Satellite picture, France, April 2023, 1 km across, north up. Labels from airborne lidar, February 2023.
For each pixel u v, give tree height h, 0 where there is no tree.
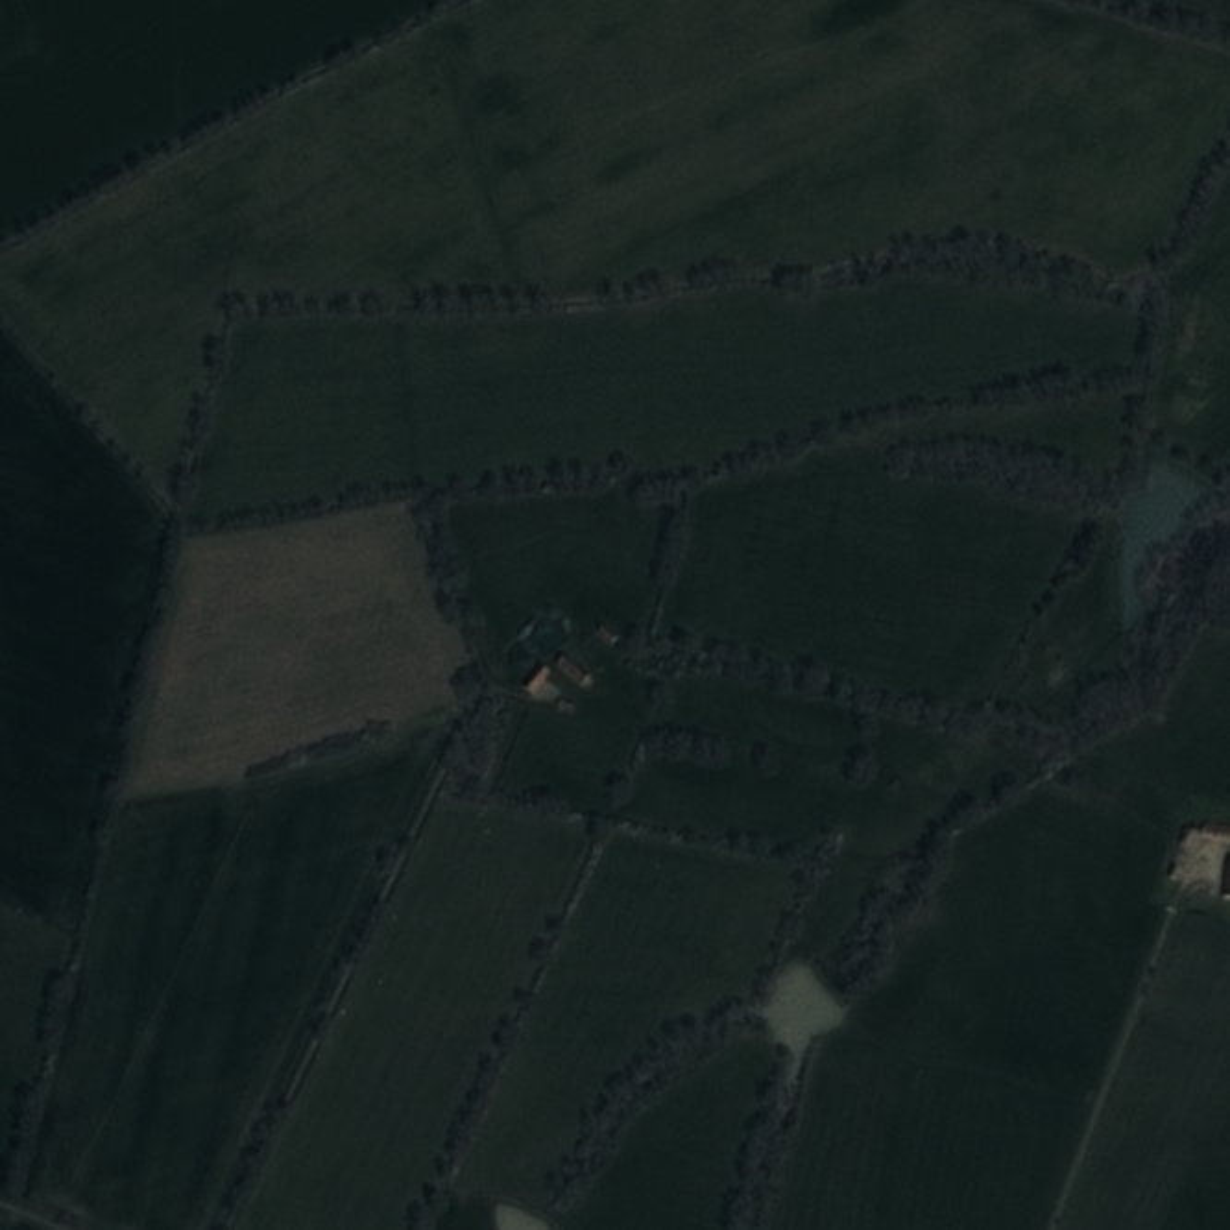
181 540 19
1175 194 0
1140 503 0
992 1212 0
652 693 13
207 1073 0
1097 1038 0
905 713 14
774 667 11
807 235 0
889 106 0
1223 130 0
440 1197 15
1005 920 0
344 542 0
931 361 0
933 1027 0
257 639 0
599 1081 0
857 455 0
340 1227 0
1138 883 0
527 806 6
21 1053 0
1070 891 0
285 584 0
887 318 0
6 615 0
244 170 0
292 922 0
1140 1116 0
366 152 0
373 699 0
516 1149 0
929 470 15
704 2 0
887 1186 0
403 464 0
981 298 0
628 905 0
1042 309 0
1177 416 0
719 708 0
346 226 0
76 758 0
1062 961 0
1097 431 0
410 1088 0
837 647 0
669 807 0
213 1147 0
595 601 0
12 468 0
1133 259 0
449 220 0
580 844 0
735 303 0
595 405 0
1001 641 0
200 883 0
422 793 0
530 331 0
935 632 0
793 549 0
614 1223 0
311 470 0
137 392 0
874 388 0
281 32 0
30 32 0
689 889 0
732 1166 0
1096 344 0
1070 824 0
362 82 0
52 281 0
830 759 0
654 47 0
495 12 0
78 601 0
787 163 0
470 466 0
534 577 0
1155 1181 0
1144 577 11
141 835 0
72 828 0
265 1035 0
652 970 0
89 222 0
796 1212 0
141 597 0
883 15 0
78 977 0
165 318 0
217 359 19
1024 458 17
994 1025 0
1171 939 0
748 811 0
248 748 0
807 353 0
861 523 0
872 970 15
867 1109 0
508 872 0
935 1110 0
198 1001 0
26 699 0
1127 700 19
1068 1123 0
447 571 23
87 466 0
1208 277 0
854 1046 0
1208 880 0
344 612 0
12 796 0
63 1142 0
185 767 0
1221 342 0
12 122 0
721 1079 0
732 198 0
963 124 0
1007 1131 0
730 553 0
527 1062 0
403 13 0
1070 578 13
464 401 0
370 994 0
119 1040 0
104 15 0
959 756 0
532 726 0
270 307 15
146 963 0
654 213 0
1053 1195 0
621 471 14
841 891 0
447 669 0
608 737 0
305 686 0
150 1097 0
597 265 0
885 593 0
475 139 0
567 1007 0
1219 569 20
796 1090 5
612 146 0
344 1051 0
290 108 0
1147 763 0
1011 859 0
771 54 0
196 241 0
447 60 0
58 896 0
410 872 0
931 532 0
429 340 0
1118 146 0
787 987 0
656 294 20
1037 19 0
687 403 0
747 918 0
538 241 0
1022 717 18
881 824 0
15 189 0
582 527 0
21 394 0
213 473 0
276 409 0
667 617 0
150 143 0
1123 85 0
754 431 0
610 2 0
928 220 0
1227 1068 0
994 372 0
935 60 0
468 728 13
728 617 0
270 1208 0
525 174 0
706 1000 0
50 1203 0
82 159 0
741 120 0
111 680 0
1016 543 0
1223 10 0
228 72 0
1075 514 14
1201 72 0
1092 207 0
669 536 19
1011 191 0
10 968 0
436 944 0
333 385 0
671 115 0
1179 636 18
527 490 18
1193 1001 0
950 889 0
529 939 0
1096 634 0
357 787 0
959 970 0
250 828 0
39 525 0
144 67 0
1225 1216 0
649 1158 0
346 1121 0
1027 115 0
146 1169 0
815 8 0
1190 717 0
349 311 18
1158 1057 0
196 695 0
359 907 0
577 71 0
